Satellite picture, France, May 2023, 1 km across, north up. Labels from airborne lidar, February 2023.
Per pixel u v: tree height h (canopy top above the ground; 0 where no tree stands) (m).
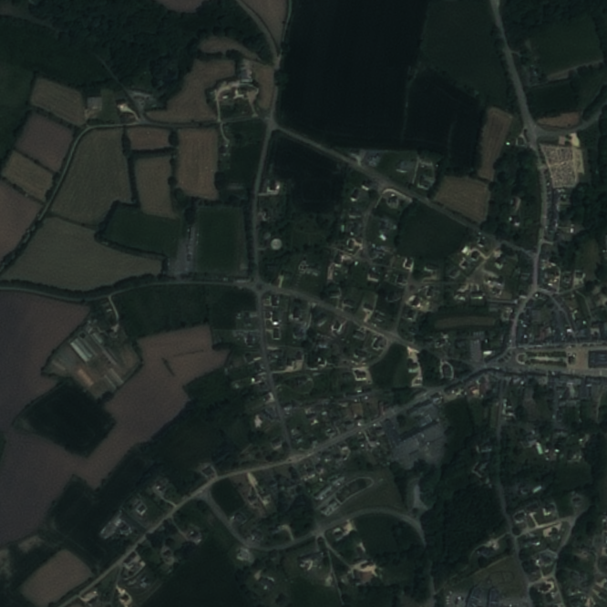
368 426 0
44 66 0
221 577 0
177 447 0
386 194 0
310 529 11
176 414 0
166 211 0
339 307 0
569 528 0
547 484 10
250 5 0
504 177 20
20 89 0
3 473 0
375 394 0
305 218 0
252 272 15
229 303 0
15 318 0
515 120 0
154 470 17
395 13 0
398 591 20
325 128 0
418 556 16
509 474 9
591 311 0
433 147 0
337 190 0
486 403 14
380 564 7
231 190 0
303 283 0
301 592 0
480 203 0
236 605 0
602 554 0
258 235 0
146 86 0
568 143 7
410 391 18
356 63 0
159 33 10
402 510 0
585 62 0
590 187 13
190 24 0
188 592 0
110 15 12
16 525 0
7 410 0
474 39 0
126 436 0
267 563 9
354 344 0
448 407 0
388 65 0
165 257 13
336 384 0
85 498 0
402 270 0
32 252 0
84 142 0
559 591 0
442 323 0
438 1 7
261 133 0
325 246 0
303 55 0
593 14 14
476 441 11
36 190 0
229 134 0
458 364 12
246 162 0
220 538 0
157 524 0
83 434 0
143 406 0
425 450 0
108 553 0
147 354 0
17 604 0
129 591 0
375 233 0
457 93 0
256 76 0
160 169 0
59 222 0
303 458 0
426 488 19
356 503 0
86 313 0
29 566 0
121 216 0
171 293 0
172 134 8
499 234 20
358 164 0
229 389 0
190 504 0
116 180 0
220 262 0
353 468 0
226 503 0
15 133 10
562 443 9
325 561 9
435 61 0
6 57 0
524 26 15
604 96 10
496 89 0
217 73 0
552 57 0
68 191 0
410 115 0
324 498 0
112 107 0
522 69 0
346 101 0
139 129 0
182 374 0
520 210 0
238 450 18
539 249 0
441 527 8
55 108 0
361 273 0
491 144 0
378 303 0
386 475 0
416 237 0
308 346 17
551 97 0
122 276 0
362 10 0
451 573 13
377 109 0
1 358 0
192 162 0
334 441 0
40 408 0
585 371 0
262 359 0
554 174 0
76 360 0
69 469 0
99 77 0
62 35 10
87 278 0
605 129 18
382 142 0
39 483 0
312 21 0
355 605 0
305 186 0
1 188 0
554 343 0
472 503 13
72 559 0
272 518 8
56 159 0
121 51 15
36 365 0
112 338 0
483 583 0
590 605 0
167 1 0
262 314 0
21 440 0
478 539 6
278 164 0
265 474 0
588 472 0
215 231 0
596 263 0
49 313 0
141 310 0
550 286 0
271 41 0
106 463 0
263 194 0
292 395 0
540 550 0
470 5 0
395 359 0
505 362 0
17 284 11
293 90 0
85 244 0
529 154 20
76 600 0
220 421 6
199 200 7
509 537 5
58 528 0
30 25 9
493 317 0
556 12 17
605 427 15
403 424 17
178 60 8
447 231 0
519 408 11
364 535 0
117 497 0
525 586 0
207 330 0
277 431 0
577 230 0
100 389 0
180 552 9
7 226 0
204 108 0
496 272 0
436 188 11
